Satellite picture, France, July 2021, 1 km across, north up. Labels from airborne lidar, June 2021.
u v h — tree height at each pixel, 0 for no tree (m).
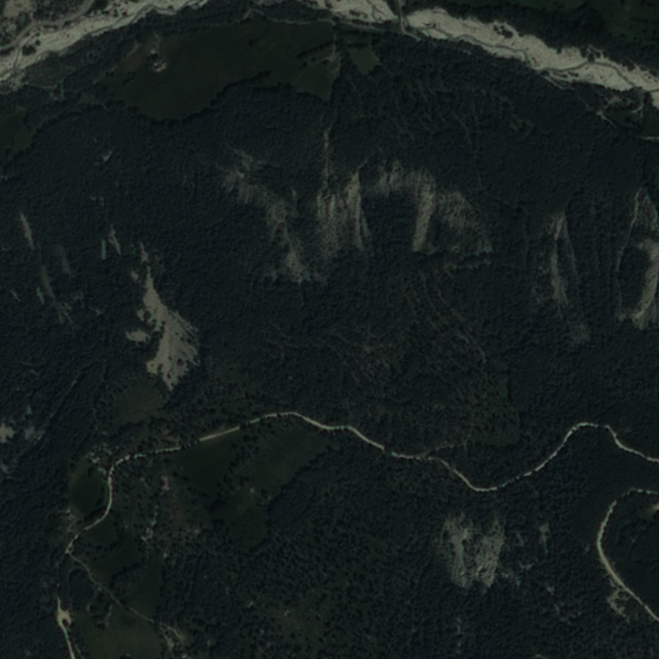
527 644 12
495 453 15
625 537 15
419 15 0
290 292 11
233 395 16
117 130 16
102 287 9
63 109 13
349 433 9
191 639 0
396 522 10
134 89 0
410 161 9
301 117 8
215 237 7
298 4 10
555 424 8
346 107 11
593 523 10
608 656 10
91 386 11
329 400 14
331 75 0
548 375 9
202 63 0
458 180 9
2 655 9
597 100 12
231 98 11
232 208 5
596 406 11
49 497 7
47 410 6
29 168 14
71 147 12
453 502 12
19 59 0
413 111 12
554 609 10
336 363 15
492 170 10
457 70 16
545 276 7
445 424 15
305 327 17
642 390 16
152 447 14
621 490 11
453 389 15
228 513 0
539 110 18
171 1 0
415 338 14
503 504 8
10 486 12
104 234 6
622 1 7
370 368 14
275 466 0
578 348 6
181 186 9
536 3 0
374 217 9
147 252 7
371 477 15
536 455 12
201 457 0
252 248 8
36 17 13
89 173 10
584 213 10
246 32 0
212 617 10
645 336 9
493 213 8
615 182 13
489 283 13
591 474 9
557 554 10
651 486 11
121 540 11
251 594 15
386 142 9
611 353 13
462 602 7
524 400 16
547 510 13
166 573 10
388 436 14
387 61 15
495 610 14
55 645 10
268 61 0
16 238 8
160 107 0
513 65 10
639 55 11
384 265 11
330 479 12
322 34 0
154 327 6
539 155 13
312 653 16
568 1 0
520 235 13
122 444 11
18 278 8
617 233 10
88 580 8
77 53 8
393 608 17
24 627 9
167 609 8
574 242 8
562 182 10
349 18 0
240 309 12
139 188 7
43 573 13
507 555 7
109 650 0
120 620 0
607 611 8
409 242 9
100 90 15
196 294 10
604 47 12
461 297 12
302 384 10
